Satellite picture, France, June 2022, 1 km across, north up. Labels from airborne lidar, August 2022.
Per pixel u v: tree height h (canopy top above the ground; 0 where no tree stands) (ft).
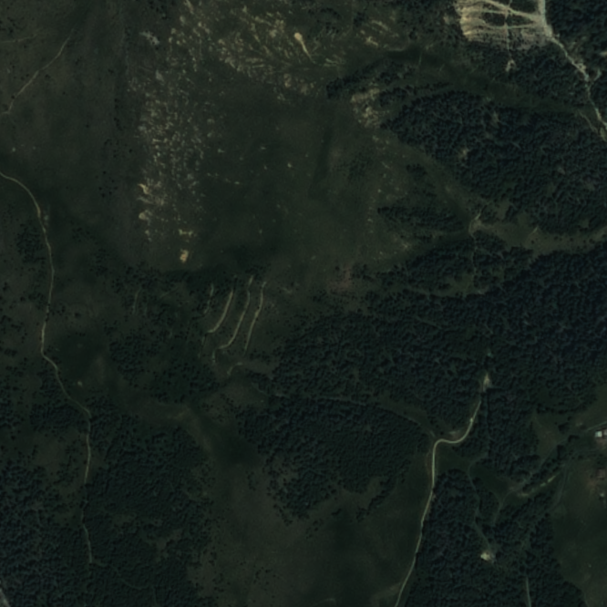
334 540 0
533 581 89
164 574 43
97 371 0
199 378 43
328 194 0
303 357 55
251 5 0
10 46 0
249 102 0
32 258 34
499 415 58
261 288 19
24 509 41
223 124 0
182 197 0
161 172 0
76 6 0
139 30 0
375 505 38
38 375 26
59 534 49
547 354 83
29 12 0
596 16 92
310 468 71
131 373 47
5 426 73
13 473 41
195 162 0
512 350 68
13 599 47
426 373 75
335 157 0
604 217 54
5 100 0
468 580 105
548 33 0
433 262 82
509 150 74
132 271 44
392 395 24
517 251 31
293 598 0
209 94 0
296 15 0
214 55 0
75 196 0
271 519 0
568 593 59
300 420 64
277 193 0
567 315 108
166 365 0
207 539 33
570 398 63
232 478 0
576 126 36
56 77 0
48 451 0
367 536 0
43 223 0
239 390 0
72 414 51
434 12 24
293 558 0
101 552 54
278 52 0
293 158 0
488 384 0
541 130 87
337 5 0
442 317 40
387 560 0
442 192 0
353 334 42
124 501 55
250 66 0
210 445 0
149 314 32
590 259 31
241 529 0
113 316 0
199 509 60
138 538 39
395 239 0
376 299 64
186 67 0
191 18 0
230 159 0
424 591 37
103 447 39
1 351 55
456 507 91
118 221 0
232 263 0
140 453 68
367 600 0
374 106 0
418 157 0
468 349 58
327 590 0
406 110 76
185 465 31
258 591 0
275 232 0
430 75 0
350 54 0
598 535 0
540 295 79
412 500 0
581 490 0
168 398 58
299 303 0
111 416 32
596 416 0
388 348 54
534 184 78
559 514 0
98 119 0
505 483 0
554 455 0
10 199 0
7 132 0
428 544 54
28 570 45
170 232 0
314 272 0
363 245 0
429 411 60
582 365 95
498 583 71
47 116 0
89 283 0
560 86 66
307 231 0
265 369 0
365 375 27
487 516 68
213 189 0
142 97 0
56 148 0
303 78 0
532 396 21
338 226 0
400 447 53
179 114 0
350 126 0
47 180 0
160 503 47
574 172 41
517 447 115
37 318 0
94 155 0
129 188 0
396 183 0
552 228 51
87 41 0
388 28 0
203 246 0
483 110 54
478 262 63
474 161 77
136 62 0
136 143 0
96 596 38
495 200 24
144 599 37
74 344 0
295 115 0
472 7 0
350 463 46
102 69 0
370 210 0
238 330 0
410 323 30
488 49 21
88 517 39
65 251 0
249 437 48
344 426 22
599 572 0
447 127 82
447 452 0
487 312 94
